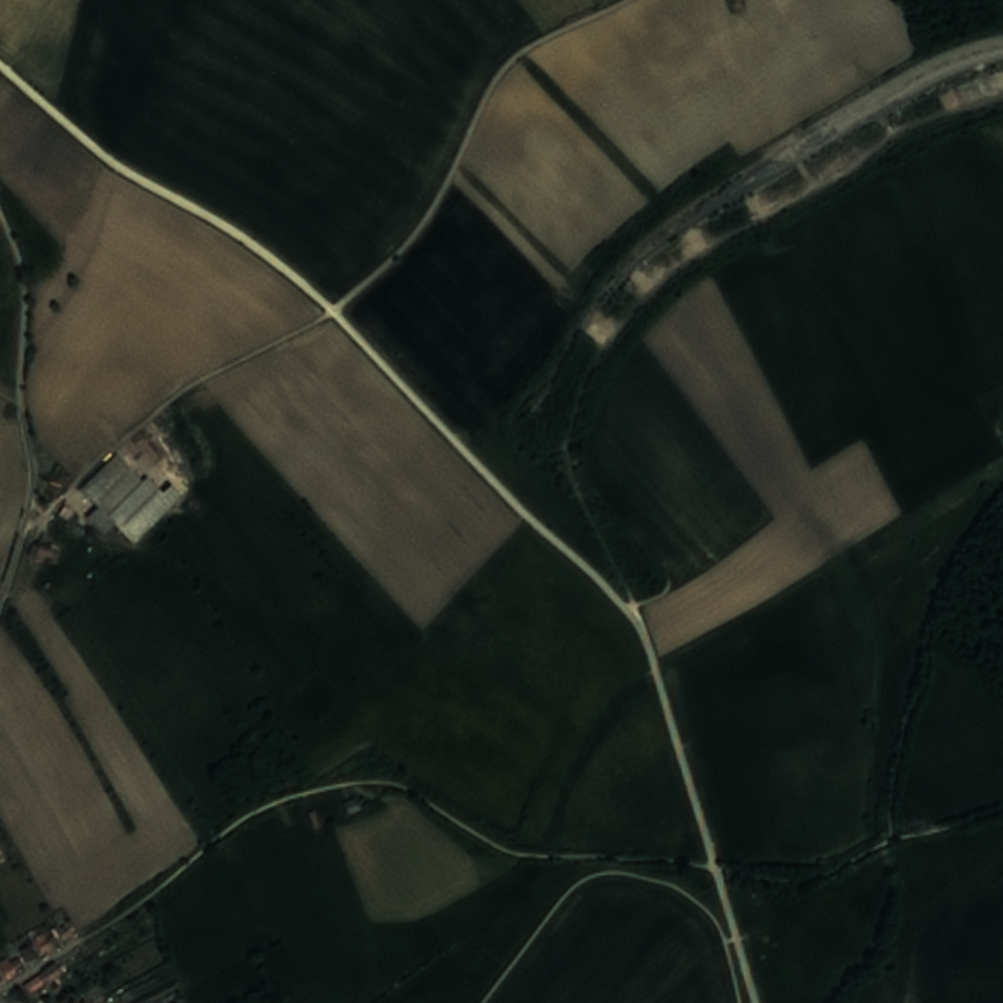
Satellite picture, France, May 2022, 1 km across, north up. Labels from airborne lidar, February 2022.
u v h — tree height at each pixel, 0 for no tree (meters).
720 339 0
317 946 0
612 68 0
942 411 0
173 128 0
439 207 0
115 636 0
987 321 0
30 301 8
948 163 0
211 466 0
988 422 0
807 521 0
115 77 0
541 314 0
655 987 0
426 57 0
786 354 0
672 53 0
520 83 0
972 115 0
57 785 0
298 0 0
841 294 0
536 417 0
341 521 0
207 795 0
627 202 0
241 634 0
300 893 0
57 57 0
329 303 0
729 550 0
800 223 0
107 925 0
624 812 0
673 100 0
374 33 0
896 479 0
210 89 0
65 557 0
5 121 0
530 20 0
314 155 0
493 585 0
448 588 0
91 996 0
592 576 0
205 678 0
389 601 0
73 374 0
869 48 0
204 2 0
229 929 0
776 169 0
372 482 0
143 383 0
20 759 0
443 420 0
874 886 0
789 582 0
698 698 0
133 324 0
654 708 0
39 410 0
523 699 0
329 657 0
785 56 0
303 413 0
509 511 0
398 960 0
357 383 0
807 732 0
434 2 0
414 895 0
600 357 0
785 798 0
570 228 0
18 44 0
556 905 0
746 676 0
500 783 0
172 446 0
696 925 0
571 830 0
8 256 0
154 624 0
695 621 0
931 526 0
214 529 0
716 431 0
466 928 0
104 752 0
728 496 0
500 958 0
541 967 0
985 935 0
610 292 0
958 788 0
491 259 0
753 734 0
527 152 0
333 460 0
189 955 0
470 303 0
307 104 0
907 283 0
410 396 0
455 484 0
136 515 0
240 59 0
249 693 0
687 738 0
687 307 0
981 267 0
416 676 0
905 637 0
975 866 0
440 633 0
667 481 0
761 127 0
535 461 11
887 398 0
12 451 0
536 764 0
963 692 0
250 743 5
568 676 0
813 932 0
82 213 0
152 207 0
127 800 0
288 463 0
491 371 0
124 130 0
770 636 0
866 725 8
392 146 0
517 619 0
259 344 0
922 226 0
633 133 0
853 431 0
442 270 0
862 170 0
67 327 0
